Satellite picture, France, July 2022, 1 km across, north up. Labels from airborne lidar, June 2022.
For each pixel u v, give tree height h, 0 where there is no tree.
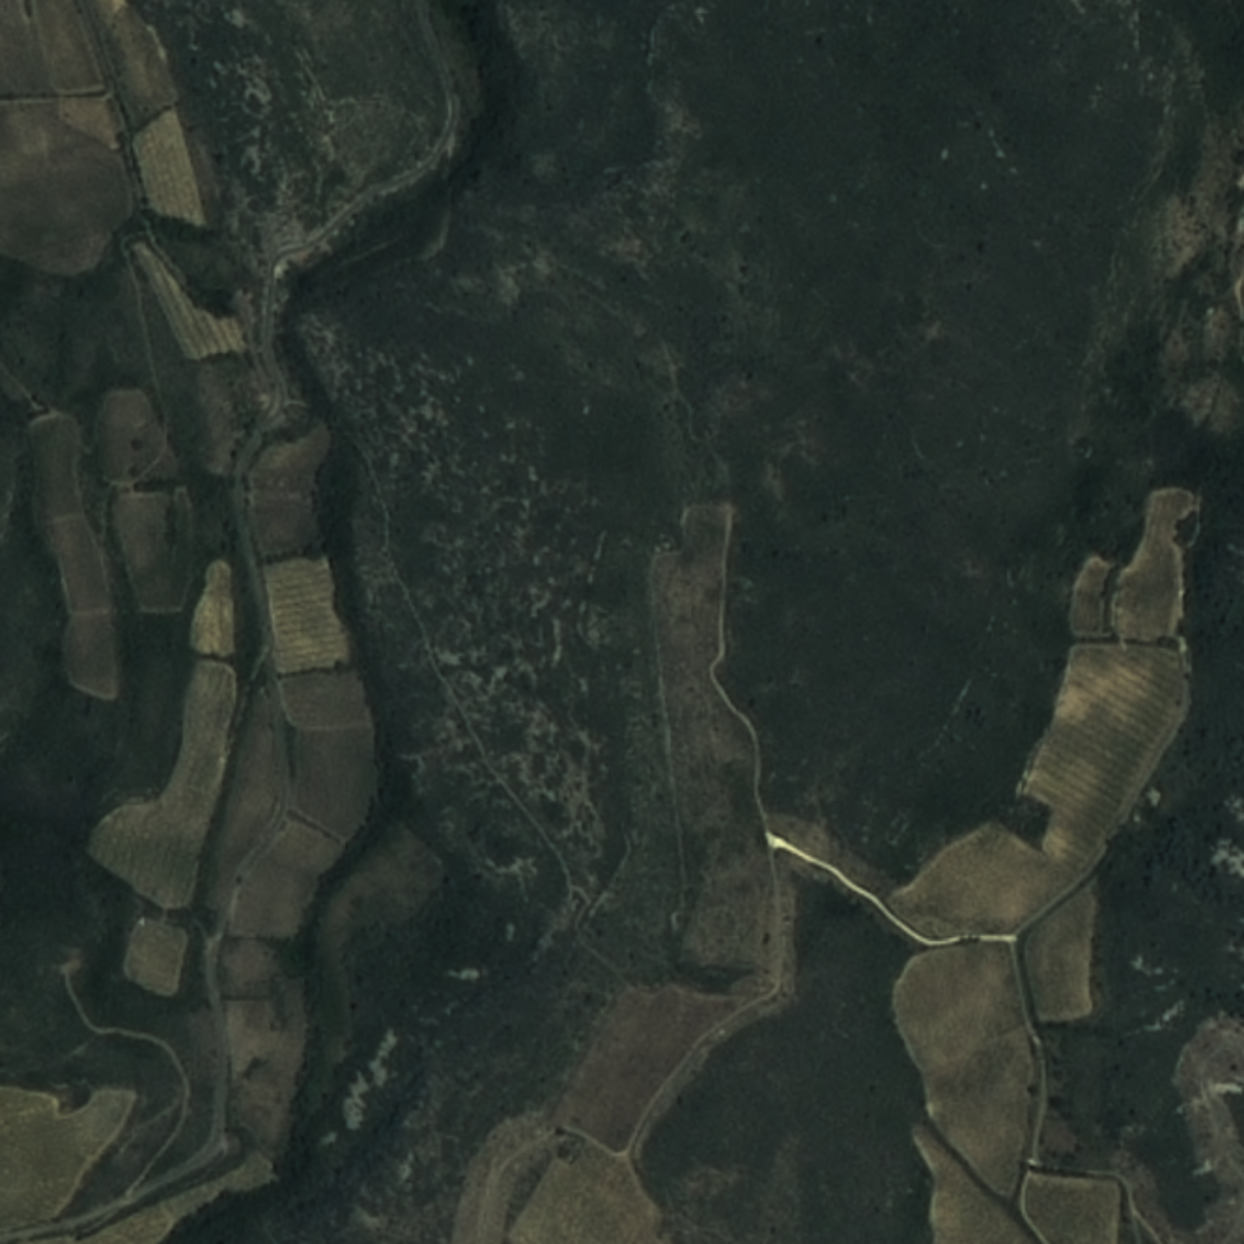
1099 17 0
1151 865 9
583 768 0
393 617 0
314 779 0
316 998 7
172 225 13
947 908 0
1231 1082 0
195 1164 0
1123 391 8
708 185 0
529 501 0
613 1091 0
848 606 0
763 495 0
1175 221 0
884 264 0
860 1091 0
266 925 0
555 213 0
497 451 0
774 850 0
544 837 0
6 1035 0
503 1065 0
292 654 0
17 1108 0
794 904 0
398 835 0
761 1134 0
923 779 0
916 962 0
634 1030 0
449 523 0
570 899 0
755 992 0
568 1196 0
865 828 0
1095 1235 0
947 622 0
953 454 0
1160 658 0
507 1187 0
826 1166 0
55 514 0
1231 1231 0
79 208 0
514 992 0
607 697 0
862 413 0
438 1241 0
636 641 0
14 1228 0
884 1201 0
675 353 0
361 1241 0
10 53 0
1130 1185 0
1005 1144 0
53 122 0
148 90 0
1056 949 0
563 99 0
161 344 0
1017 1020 0
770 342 0
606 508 0
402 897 0
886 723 0
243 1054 0
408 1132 0
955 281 0
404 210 10
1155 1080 0
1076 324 0
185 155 0
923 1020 0
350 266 0
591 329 0
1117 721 0
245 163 0
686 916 0
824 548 0
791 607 0
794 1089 0
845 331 0
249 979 0
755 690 0
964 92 0
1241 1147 0
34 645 7
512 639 0
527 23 0
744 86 0
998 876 0
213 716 0
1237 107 0
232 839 0
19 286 0
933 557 0
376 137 0
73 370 0
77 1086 0
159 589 0
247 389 0
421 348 0
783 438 0
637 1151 0
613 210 0
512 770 0
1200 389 0
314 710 0
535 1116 0
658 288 0
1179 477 9
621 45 0
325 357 0
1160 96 0
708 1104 0
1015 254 0
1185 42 0
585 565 0
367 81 0
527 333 0
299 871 0
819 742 0
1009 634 0
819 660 0
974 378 0
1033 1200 0
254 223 0
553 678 0
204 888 7
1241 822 0
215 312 8
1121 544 7
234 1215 6
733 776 0
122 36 0
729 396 0
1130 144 0
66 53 0
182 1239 6
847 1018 0
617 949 0
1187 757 7
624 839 0
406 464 0
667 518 0
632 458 0
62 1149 0
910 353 0
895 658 0
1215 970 0
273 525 0
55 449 0
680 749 0
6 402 7
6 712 0
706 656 0
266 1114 0
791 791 0
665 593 0
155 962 0
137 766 0
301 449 0
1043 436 0
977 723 7
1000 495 0
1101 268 0
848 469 0
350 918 0
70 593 0
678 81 0
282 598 0
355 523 0
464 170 11
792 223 0
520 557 0
